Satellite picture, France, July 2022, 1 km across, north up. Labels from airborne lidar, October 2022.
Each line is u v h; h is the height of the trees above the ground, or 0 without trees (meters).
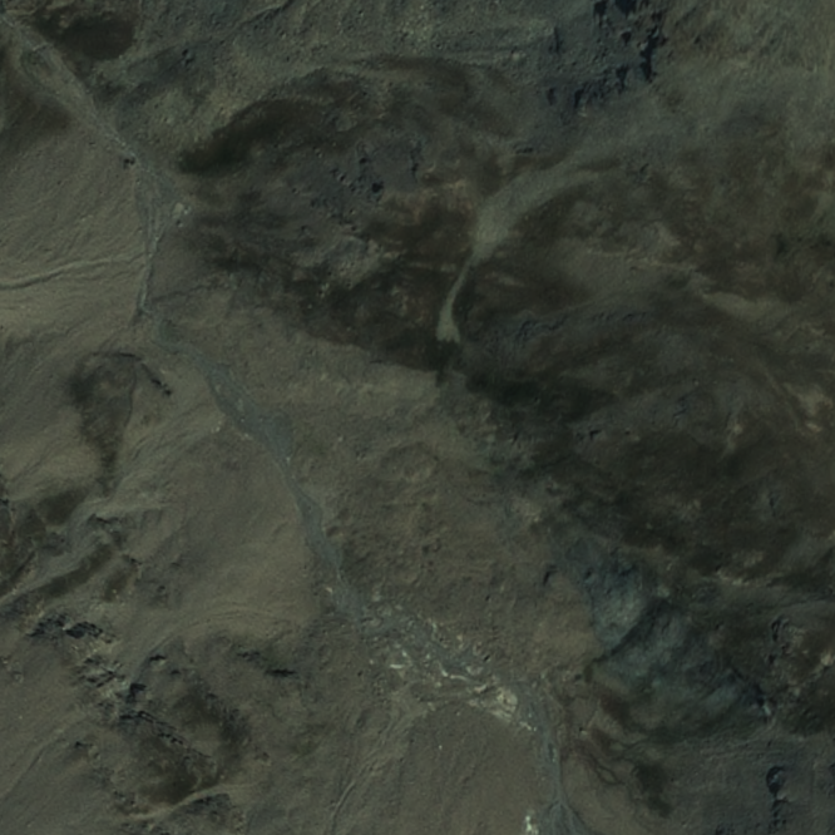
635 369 0
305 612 0
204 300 0
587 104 0
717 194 0
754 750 0
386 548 0
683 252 0
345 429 0
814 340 0
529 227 0
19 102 0
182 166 0
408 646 0
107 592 0
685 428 0
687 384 0
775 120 0
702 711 0
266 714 0
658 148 0
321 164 0
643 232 0
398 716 0
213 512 0
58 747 0
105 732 0
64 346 0
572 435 0
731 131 0
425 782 0
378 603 0
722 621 0
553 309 0
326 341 0
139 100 0
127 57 0
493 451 0
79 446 0
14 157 0
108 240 0
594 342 0
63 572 0
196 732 0
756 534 0
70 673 0
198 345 0
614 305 0
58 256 0
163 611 0
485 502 0
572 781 0
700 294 0
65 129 0
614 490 0
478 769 0
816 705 0
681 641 0
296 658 0
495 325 0
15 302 0
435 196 0
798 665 0
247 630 0
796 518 0
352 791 0
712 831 0
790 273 0
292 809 0
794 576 0
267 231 0
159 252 0
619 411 0
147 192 0
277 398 0
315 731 0
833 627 0
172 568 0
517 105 0
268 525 0
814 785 0
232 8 0
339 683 0
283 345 0
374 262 0
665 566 0
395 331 0
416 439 0
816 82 0
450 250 0
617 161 0
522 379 10
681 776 0
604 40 0
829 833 0
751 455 0
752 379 0
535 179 0
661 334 0
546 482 0
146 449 0
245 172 0
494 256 0
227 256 0
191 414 0
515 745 0
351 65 0
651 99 0
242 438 0
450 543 0
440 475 0
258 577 0
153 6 0
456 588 0
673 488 0
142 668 0
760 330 0
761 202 0
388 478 0
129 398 0
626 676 0
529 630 0
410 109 0
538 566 0
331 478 0
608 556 0
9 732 0
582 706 0
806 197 0
